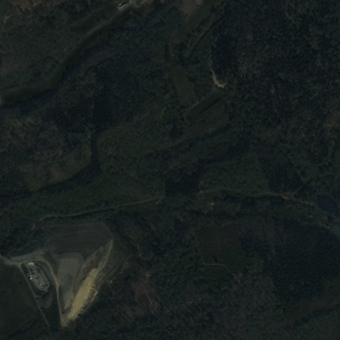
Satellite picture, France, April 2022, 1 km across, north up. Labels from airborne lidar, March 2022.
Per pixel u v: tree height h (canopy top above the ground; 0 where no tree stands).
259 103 27
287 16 18
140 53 19
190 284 28
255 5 23
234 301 32
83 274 0
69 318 0
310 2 16
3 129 14
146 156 22
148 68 24
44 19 10
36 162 17
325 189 22
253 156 10
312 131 30
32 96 0
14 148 10
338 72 27
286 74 28
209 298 23
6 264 0
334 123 31
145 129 17
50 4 29
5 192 8
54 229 0
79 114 8
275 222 19
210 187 9
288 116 35
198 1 0
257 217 19
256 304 32
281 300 32
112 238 0
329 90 27
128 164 25
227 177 23
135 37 22
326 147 26
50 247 0
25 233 16
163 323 28
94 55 30
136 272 10
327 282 13
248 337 21
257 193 14
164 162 21
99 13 0
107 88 13
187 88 0
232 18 26
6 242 29
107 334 21
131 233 21
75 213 19
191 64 25
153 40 21
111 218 13
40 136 20
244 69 28
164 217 24
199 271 20
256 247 25
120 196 13
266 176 25
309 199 14
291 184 20
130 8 0
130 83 22
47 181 11
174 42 0
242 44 27
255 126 22
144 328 20
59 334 23
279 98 29
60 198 22
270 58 25
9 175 12
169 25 23
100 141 17
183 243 26
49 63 26
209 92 13
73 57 0
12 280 0
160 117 19
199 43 9
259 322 28
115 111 14
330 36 20
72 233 0
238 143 21
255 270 13
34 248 0
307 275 32
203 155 28
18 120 24
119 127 16
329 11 29
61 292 0
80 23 20
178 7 0
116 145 20
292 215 21
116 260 0
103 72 21
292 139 18
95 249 0
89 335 0
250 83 27
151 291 0
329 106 32
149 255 26
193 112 0
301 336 28
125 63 19
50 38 12
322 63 22
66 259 0
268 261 27
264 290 25
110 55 25
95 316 22
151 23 18
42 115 22
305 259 31
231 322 31
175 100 23
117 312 25
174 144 22
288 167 17
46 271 0
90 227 0
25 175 11
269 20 23
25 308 0
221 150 29
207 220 25
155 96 20
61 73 0
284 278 33
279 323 25
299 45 25
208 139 24
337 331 26
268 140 26
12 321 0
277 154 17
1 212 18
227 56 23
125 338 24
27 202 18
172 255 17
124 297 0
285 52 25
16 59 14
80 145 13
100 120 16
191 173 23
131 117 17
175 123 22
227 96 19
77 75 23
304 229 27
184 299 28
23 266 0
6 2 26
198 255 24
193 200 17
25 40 13
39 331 13
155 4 0
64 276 0
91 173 21
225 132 25
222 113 10
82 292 0
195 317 26
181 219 24
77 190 17
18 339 15
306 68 27
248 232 20
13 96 0
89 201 22
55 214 17
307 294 29
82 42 0
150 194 19
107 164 16
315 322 30
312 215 18
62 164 11
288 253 25
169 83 19
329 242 31
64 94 18
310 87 30
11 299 0
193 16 0
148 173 24
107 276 0
